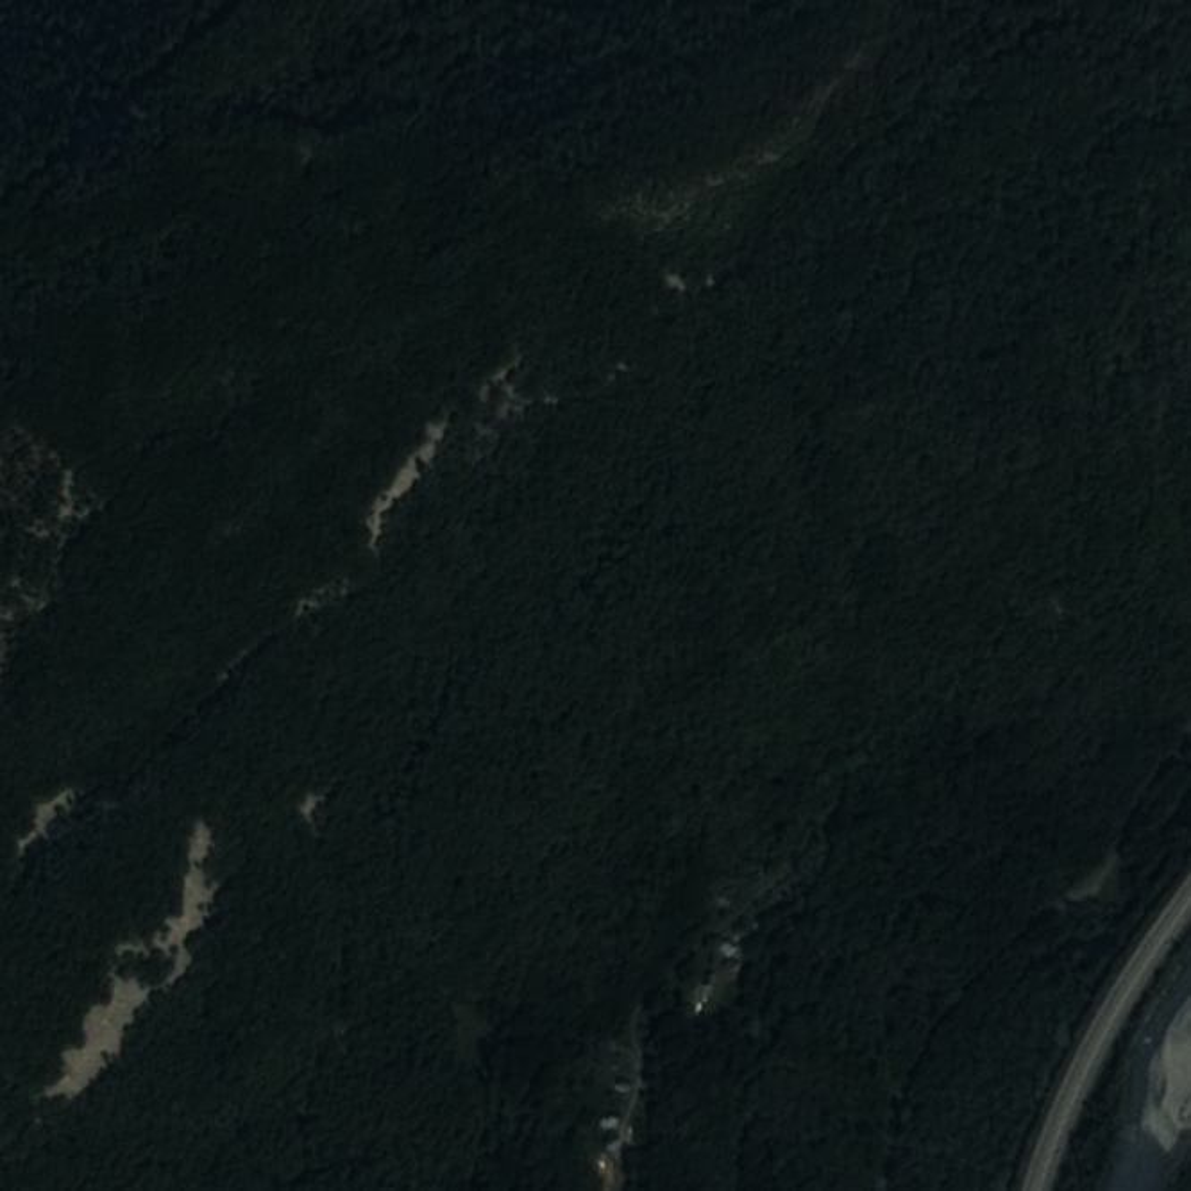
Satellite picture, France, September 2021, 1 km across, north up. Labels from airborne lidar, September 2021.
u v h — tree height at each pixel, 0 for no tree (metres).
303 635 20
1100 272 22
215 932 22
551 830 20
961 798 30
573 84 20
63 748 20
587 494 20
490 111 25
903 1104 8
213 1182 21
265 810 26
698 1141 23
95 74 20
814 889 19
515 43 28
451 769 22
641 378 16
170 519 20
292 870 18
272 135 41
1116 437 17
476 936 16
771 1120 19
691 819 22
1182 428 17
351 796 20
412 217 25
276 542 22
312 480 21
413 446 18
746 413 20
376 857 19
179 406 14
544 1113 18
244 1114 13
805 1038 35
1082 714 22
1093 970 14
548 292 25
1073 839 27
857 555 18
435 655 21
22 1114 18
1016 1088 10
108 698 18
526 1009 20
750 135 13
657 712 32
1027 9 19
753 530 17
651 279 19
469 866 22
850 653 25
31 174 19
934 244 21
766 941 11
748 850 8
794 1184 25
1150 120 17
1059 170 20
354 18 16
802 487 24
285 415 20
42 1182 18
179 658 21
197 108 22
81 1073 0
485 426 11
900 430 21
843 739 22
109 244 26
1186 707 12
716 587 22
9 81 20
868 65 9
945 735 32
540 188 21
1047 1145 0
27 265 24
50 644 18
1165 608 24
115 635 18
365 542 18
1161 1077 0
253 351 22
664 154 20
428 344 23
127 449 20
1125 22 21
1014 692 22
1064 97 14
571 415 20
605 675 22
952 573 23
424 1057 18
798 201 22
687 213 8
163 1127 15
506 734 23
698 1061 22
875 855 31
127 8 14
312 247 24
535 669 19
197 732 19
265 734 22
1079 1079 0
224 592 24
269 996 16
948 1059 20
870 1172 24
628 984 31
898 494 16
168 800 22
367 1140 20
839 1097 11
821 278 21
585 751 24
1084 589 24
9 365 29
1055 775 26
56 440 19
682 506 21
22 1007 18
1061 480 20
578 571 23
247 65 22
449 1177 25
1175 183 22
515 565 20
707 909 8
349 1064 20
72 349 22
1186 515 32
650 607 18
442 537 18
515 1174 20
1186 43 21
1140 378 19
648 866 28
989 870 22
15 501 16
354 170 20
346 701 23
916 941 30
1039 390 21
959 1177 12
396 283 21
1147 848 20
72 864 18
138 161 27
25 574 10
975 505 19
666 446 21
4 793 20
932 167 17
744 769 16
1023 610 23
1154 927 0
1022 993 12
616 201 11
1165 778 21
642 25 21
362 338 15
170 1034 22
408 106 24
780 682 20
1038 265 22
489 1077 17
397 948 14
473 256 24
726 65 12
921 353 20
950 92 25
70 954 24
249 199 21
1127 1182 0
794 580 19
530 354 20
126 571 15
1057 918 18
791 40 10
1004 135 21
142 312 26
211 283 24
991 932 22
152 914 20
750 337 25
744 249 20
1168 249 20
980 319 21
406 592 23
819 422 20
